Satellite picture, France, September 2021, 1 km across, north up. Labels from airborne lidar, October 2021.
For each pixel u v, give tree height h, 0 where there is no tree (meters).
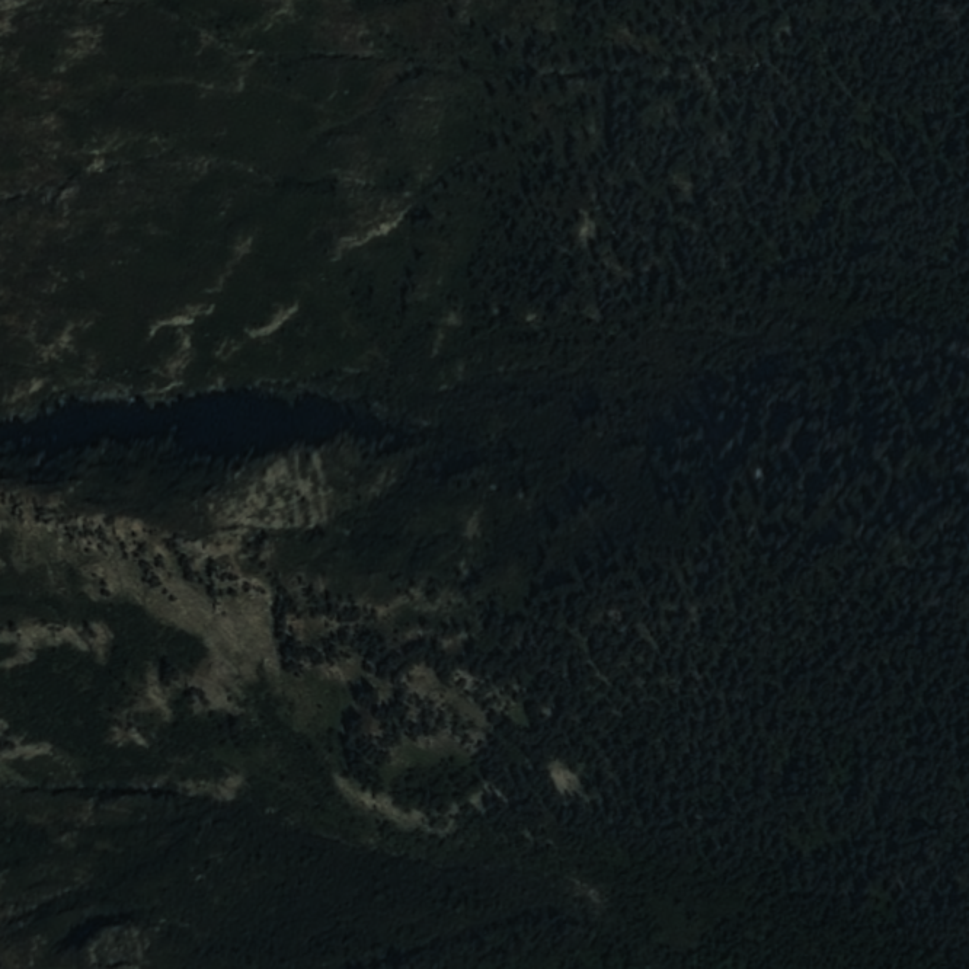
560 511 7
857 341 9
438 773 8
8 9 0
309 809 9
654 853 9
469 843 6
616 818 28
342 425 15
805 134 30
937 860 34
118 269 0
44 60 0
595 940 12
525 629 24
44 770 0
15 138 0
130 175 0
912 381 27
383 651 20
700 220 23
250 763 0
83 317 0
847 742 10
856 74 9
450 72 0
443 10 0
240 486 0
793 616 20
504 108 0
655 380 9
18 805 0
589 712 28
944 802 31
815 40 10
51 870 0
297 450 14
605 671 33
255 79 0
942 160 9
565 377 6
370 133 0
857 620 25
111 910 0
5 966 0
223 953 7
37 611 0
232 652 0
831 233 29
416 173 0
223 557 0
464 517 0
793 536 28
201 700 15
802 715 6
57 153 0
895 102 28
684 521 20
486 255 12
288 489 0
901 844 33
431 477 7
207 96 0
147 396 0
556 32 0
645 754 29
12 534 0
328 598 12
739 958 10
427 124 0
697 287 18
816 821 13
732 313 14
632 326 10
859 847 16
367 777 9
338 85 0
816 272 24
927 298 12
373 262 0
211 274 0
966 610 29
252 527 0
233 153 0
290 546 0
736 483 23
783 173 8
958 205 27
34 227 0
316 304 0
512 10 0
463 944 8
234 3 0
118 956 0
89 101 0
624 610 28
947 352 9
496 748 31
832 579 7
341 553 0
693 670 6
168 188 0
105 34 0
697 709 7
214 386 0
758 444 25
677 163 34
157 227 0
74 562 0
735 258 13
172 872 0
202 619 0
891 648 33
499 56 21
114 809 0
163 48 0
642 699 12
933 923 33
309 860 8
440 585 9
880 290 23
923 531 29
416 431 5
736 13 29
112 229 0
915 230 24
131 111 0
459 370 0
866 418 7
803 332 9
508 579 0
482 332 9
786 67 34
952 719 30
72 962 0
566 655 29
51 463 14
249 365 0
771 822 28
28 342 0
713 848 30
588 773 7
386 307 0
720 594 27
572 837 14
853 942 13
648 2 21
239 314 0
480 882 7
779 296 11
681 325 9
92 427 6
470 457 6
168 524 0
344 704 0
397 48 9
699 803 6
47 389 0
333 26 0
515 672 21
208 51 0
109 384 0
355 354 0
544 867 9
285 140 0
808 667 27
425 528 0
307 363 0
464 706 0
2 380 0
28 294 0
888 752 8
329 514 0
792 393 34
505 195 12
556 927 11
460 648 0
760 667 11
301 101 0
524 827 17
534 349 10
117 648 8
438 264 0
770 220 30
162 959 0
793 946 9
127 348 0
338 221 0
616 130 26
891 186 18
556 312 23
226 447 18
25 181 0
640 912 8
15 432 0
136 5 0
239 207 0
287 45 0
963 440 22
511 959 16
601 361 6
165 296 0
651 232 31
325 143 0
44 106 0
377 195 0
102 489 0
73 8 0
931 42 19
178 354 0
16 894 0
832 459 10
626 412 14
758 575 9
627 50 0
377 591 0
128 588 0
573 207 0
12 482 0
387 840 6
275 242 0
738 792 14
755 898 9
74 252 0
